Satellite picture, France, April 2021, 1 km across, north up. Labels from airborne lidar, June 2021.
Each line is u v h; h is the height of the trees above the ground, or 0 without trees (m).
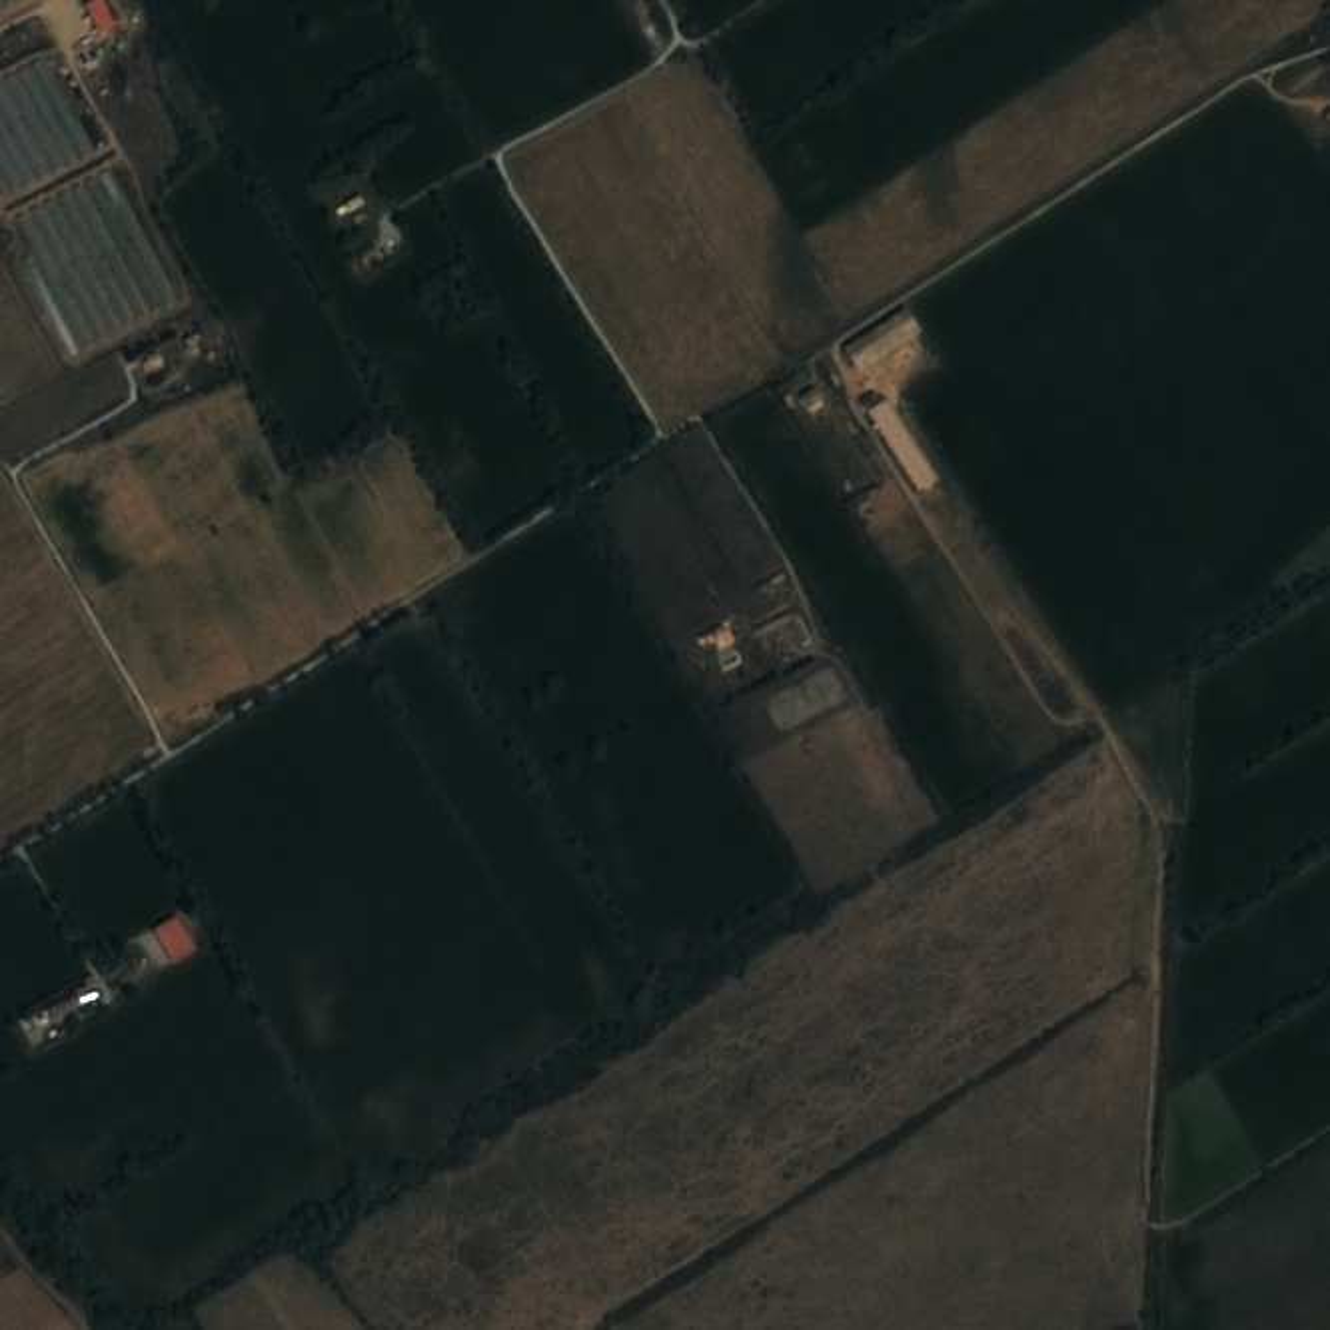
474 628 0
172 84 0
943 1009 0
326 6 0
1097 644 0
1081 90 0
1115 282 0
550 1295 0
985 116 0
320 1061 0
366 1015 0
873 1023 0
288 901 0
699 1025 0
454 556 0
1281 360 0
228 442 0
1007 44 0
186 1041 0
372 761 0
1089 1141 0
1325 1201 0
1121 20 0
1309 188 0
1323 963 0
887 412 0
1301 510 0
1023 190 0
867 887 0
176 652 0
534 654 0
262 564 0
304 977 0
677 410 0
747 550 0
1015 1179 0
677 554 0
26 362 0
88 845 0
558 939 0
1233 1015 0
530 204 0
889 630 0
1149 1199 0
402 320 0
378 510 0
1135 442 0
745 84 0
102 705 0
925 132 0
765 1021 0
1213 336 0
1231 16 0
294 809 0
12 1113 0
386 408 12
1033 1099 0
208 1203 0
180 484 0
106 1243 0
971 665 0
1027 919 0
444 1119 0
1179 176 0
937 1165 0
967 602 0
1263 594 0
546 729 0
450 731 0
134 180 0
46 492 0
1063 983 0
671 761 0
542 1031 0
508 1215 0
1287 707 0
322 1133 0
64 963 0
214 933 7
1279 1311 0
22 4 0
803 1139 0
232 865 0
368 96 11
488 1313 0
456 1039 0
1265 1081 0
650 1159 0
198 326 6
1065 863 0
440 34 0
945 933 0
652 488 0
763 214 0
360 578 0
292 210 0
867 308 0
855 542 0
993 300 0
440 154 0
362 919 0
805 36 0
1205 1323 0
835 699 0
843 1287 0
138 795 13
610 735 0
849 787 0
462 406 0
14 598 0
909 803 0
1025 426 0
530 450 0
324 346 0
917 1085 0
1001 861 0
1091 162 0
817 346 0
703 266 0
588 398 0
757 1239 0
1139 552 0
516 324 0
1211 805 0
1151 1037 0
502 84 0
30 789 0
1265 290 0
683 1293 0
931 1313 0
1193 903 0
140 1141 0
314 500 0
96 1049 0
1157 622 0
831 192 0
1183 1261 0
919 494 0
